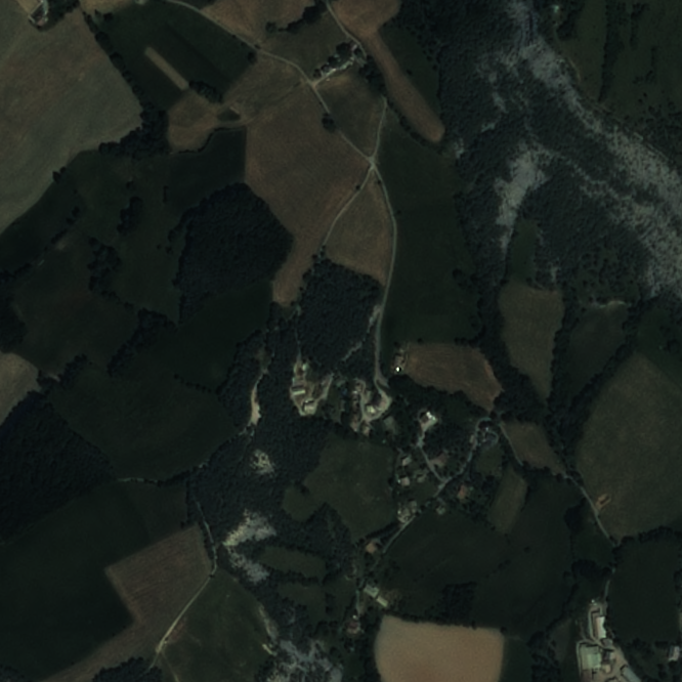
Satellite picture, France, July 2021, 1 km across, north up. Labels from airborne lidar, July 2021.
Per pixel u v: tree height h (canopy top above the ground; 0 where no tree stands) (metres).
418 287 0
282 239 19
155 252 0
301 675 6
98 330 0
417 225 0
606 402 0
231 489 9
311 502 0
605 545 0
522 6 0
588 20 0
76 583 0
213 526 10
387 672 0
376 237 0
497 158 9
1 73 0
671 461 0
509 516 0
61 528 0
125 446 0
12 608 0
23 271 13
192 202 0
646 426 0
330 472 0
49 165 0
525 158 0
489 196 8
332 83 0
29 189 0
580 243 9
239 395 10
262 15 0
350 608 8
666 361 0
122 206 0
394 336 0
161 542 0
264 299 0
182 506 0
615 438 0
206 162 0
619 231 7
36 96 0
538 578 0
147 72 0
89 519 0
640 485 0
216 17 0
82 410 0
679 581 10
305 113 0
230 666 0
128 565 0
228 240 28
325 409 10
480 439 10
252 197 26
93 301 0
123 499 0
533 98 7
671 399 0
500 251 7
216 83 0
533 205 9
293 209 0
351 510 0
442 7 14
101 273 17
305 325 15
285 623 6
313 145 0
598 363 0
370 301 12
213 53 0
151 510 0
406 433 7
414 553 0
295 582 14
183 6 0
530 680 0
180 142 0
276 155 0
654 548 0
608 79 11
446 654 0
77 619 0
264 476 7
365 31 0
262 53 0
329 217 0
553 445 12
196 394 0
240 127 0
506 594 0
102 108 0
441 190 0
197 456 0
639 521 0
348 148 0
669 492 0
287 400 9
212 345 0
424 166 0
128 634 0
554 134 8
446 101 16
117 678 14
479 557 0
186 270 18
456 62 14
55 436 29
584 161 7
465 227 17
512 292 0
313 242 0
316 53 0
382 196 0
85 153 0
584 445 0
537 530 0
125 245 0
